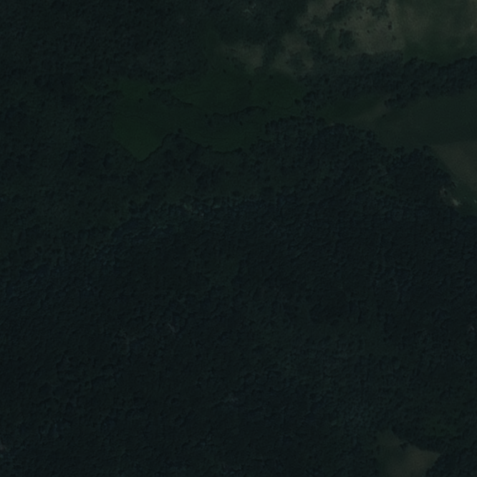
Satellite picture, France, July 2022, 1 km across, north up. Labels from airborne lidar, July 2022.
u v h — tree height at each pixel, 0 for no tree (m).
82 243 26
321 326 11
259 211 31
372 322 11
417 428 16
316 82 9
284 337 12
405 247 27
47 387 27
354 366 19
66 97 25
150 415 29
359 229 30
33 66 13
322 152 20
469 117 0
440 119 0
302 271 22
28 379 28
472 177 0
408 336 26
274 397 32
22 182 11
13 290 32
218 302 16
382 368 24
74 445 30
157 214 32
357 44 5
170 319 24
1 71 13
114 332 22
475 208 0
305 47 0
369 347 10
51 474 26
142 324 32
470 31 0
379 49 0
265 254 22
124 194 12
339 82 18
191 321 28
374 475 29
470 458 33
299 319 16
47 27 12
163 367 29
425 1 0
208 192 13
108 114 12
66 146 12
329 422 12
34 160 22
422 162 27
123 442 29
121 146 8
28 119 26
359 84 21
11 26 20
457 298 29
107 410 29
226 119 11
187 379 27
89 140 10
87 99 8
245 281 28
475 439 15
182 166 16
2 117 24
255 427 32
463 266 22
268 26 6
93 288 29
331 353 14
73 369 20
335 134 27
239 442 29
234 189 12
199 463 24
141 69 14
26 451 32
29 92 9
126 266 28
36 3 15
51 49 11
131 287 24
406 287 30
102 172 11
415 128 0
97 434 28
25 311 30
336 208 29
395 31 0
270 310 13
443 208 37
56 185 12
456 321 28
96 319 27
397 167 28
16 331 24
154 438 27
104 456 24
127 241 34
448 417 8
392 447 0
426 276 26
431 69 21
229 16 7
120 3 11
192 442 28
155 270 25
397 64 10
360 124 0
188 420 26
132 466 30
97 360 22
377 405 18
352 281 32
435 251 22
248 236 26
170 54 8
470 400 16
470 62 18
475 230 24
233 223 27
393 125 0
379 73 22
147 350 28
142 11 22
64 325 28
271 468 28
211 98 0
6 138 10
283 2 7
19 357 27
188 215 32
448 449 27
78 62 19
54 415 28
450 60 0
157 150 8
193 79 8
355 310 24
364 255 28
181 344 27
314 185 21
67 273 27
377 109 0
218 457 28
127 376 31
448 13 0
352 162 28
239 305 27
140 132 0
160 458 32
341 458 21
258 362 24
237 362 29
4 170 20
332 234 26
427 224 27
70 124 10
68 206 11
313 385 19
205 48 10
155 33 14
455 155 0
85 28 8
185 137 10
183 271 29
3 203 30
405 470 0
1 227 9
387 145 0
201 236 26
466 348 11
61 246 10
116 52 8
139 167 11
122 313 27
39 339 26
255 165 19
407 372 22
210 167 10
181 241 28
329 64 6
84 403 24
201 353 24
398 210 31
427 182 10
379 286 27
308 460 12
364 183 15
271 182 12
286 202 32
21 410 27
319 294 26
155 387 29
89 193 10
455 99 0
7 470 31
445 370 26
